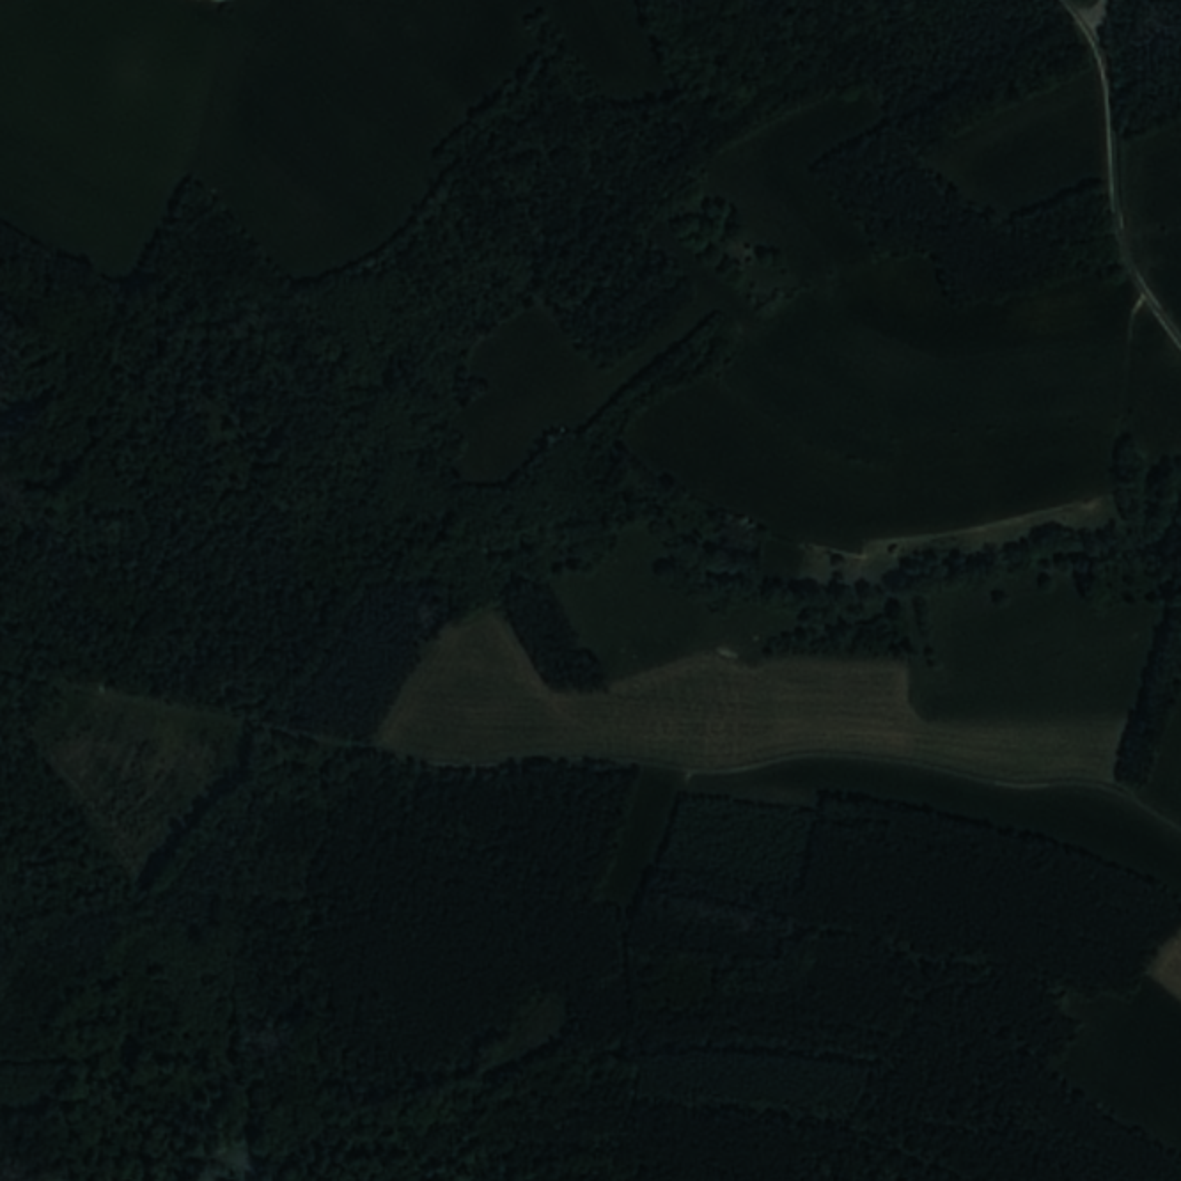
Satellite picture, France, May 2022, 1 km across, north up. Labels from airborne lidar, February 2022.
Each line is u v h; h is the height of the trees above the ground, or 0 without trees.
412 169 0
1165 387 0
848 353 0
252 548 15
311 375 9
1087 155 0
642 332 15
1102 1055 0
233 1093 29
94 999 18
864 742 0
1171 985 0
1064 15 14
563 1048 13
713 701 0
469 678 0
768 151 0
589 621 0
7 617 24
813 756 0
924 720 0
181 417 20
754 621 0
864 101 0
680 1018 16
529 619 23
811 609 16
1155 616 0
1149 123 16
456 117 0
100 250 0
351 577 15
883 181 15
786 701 0
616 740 0
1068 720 0
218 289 12
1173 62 20
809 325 0
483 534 22
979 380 0
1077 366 0
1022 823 0
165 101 0
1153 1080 0
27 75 0
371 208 0
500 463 0
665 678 0
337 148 0
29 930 19
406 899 16
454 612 19
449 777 10
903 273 0
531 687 0
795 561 0
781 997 15
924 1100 16
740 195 0
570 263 13
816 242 0
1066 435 0
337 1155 21
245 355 17
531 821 15
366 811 14
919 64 7
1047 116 0
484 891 16
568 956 16
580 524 24
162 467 14
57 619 14
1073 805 0
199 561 13
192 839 20
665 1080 19
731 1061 19
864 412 0
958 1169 12
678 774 0
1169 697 20
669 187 7
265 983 16
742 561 25
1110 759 0
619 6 0
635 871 0
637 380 8
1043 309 0
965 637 0
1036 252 18
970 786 0
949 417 0
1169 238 0
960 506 0
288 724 19
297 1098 18
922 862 17
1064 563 15
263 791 21
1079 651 0
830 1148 13
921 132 17
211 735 0
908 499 0
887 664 0
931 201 17
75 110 0
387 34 0
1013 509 0
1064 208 15
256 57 0
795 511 0
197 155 0
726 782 0
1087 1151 14
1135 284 0
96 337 13
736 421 0
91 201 0
